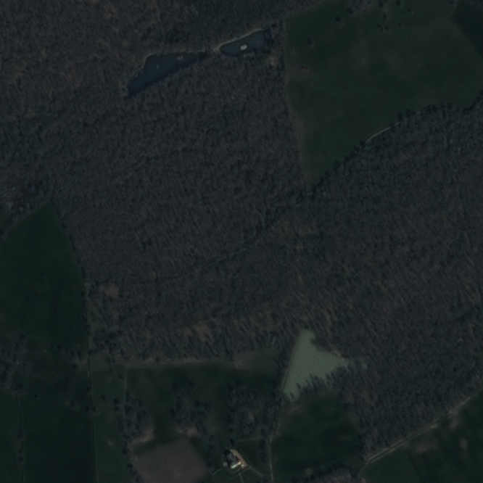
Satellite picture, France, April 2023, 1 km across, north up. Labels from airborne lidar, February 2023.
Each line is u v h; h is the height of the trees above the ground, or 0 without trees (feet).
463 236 60
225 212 65
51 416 0
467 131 53
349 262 32
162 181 61
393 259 64
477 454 0
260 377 0
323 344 63
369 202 42
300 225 75
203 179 64
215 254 61
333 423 0
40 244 0
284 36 57
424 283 89
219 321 73
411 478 0
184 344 80
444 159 44
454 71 0
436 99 0
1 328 0
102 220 58
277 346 78
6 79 73
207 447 0
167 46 70
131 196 69
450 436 0
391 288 81
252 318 70
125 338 64
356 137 0
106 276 50
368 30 0
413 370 86
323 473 0
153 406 0
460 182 80
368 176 55
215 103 65
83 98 63
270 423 59
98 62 67
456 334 82
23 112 54
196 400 0
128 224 60
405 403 67
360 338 55
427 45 0
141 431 66
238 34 62
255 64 58
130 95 29
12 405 0
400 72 0
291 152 52
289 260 74
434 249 57
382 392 61
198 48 52
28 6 73
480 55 0
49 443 0
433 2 0
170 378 0
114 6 67
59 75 69
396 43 0
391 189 40
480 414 0
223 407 0
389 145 25
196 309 79
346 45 0
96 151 73
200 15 57
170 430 0
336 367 0
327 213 57
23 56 76
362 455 48
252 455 0
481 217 67
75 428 0
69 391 0
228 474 0
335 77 0
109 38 73
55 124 71
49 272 0
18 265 0
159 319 67
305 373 0
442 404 77
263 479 0
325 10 0
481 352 58
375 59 0
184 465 0
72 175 76
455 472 0
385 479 0
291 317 81
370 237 45
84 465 0
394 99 0
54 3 72
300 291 78
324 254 75
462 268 76
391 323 72
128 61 59
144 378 0
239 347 77
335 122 0
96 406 0
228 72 71
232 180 57
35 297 0
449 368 66
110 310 72
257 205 63
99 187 60
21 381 0
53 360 0
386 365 84
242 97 66
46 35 75
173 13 68
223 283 61
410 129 39
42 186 47
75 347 0
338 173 69
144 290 72
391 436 66
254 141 72
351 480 69
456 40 0
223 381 0
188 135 49
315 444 0
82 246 69
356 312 77
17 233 0
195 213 51
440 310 85
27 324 0
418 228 77
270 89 61
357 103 0
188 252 65
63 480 0
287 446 0
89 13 63
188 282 79
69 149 55
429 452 0
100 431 0
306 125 0
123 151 66
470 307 50
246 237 63
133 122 75
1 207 64
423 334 85
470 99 0
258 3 66
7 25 68
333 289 70
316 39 0
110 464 0
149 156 51
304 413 0
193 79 60
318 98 0
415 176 38
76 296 0
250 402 80
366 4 59
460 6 0
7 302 0
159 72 0
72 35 53
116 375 0
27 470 0
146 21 66
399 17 0
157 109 43
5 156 71
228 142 52
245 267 70
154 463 0
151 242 78
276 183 60
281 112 72
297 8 41
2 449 0
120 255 57
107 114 70
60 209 60
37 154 74
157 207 48
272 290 76
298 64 0
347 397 81
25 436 35
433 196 49
